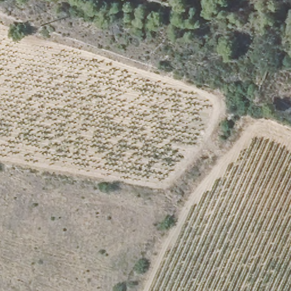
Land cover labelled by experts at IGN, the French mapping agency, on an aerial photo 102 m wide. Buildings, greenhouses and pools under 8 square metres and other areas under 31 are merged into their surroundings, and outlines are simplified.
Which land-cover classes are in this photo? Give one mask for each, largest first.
<instances>
[{"label":"vineyard","instance_id":"1","mask_svg":"<svg viewBox=\"0 0 291 291\"><path fill-rule=\"evenodd\" d=\"M22 18L7 15L0 7V163L13 161L15 164L34 169L44 168L45 171L56 174H81L99 177L102 182L120 181L165 189L169 188L175 178L180 177L186 167L192 165L199 157L217 156L216 165L191 193L181 213L176 216V224L172 227L166 218L163 222L153 223L158 231L169 232L165 238L155 243L153 249L158 252V256L151 264L147 258H141L134 265L136 272L147 275L145 281L152 282L149 291H291V126L278 123L265 103L260 100L255 103L252 101L246 95L239 98L238 95H232L235 85H224L222 90H214L209 93L197 86L175 80L172 72L155 74L158 67L149 61L144 63L122 53L99 49L91 42L69 38L56 32L50 33L48 40L36 39L33 34L24 36L19 33V27L14 25L22 23Z\"/></svg>","mask_w":291,"mask_h":291},{"label":"plowed land","instance_id":"2","mask_svg":"<svg viewBox=\"0 0 291 291\"><path fill-rule=\"evenodd\" d=\"M217 156L199 157L192 165L186 167L180 177L175 178L169 188L165 189L120 181L102 182L99 177L81 174H56L45 171L44 168L34 169L15 164L13 161L0 163V291H149L152 282L145 281L147 275L136 272L134 265L141 258H147L151 264L158 256V252L153 249L155 243L165 238L169 232L158 231L153 223L163 222L166 218L172 227L176 224V216L181 213L191 193L216 165Z\"/></svg>","mask_w":291,"mask_h":291},{"label":"herbaceous vegetation","instance_id":"3","mask_svg":"<svg viewBox=\"0 0 291 291\"><path fill-rule=\"evenodd\" d=\"M93 10L97 11L101 7L111 8L114 1L117 3L116 23L107 24V27L100 30L93 22H84L81 17L69 18L64 11L58 13L57 3L53 0H0V7L7 15L22 18V23L14 25L19 27V33L24 36L33 34L36 39L48 40L50 33L56 32L69 38L91 42L99 49L122 53L144 63L149 61L158 67L155 74L172 72L175 80L197 86L209 93L214 90L209 84L199 82L201 66H208L206 61L202 60L207 52L205 35H211L209 20L201 16L202 0H178L184 8L180 19H188L189 11L193 8L194 14L190 23H198L199 28L192 30L174 27L172 31L167 25L171 20L174 0H90ZM224 6L217 5L216 10L222 11L223 15L234 14V18L240 22L239 25H228V28L235 30L227 34L226 48L231 49L230 59H238L248 51L252 42L249 36L252 27H255L257 36H264L265 39L273 41L272 66L278 70L274 73L273 80H266L263 73L256 76L255 83L258 88L252 101L255 103L260 100L265 103L278 123L291 126V67L283 68V59L288 52L283 51L281 36L285 33V20L291 10V0H224Z\"/></svg>","mask_w":291,"mask_h":291},{"label":"deciduous trees","instance_id":"4","mask_svg":"<svg viewBox=\"0 0 291 291\"><path fill-rule=\"evenodd\" d=\"M57 3L58 13L64 11L69 18L81 17L84 22H93L100 30L107 27V24L116 23L117 3L114 1L111 8L101 7L97 11L93 10L90 0H53ZM171 20L167 25L172 31L174 27L192 30L199 28L198 23H190L194 14L193 8L189 11L188 19H180L184 8L178 0H174ZM224 0H202L201 16L209 20L211 35H205L207 52L202 60L206 61L208 66H201L199 82L209 84L214 90H222L224 85H235L232 95H238L239 98L246 95L252 101L258 88L255 83L256 76L263 73L266 80H273L274 73L278 70L272 66L273 41L265 39L264 36H257L255 27H252L249 36L252 42L248 51L238 59H230L231 49L226 48L227 34L235 30L228 28V25H239L240 22L234 18V14L223 15L222 11L216 10L217 5L224 6ZM285 33L281 36L283 51L288 52L283 59V68L291 67V10L285 20Z\"/></svg>","mask_w":291,"mask_h":291}]
</instances>
